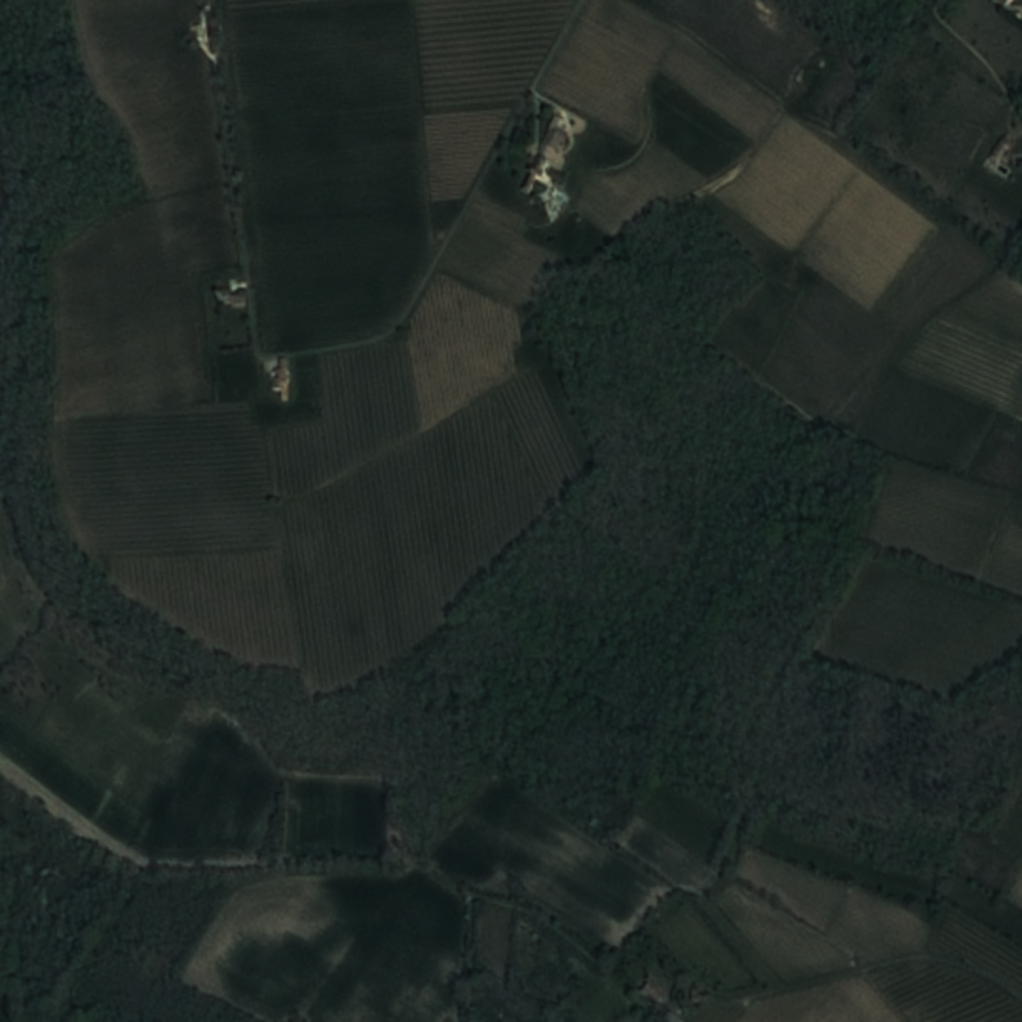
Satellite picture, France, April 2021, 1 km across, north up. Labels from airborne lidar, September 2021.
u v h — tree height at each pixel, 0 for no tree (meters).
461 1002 18
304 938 0
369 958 0
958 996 0
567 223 0
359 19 0
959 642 0
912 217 0
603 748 28
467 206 0
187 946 10
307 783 0
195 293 0
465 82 0
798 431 24
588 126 0
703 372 19
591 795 21
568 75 0
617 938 0
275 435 0
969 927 0
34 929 12
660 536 17
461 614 20
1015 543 0
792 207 0
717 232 13
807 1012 0
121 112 0
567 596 23
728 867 12
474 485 0
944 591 0
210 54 12
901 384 0
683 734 20
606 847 7
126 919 17
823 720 19
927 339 0
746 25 0
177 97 0
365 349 0
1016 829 0
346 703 22
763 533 25
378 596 0
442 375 0
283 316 0
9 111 20
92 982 17
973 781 15
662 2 0
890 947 0
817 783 18
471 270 0
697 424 19
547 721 25
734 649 19
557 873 0
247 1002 0
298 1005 0
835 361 0
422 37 0
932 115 0
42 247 20
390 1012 0
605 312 24
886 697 17
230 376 0
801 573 22
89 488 0
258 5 0
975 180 0
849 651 0
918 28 17
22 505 24
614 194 0
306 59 0
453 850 0
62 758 0
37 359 22
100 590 21
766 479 25
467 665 26
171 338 0
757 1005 0
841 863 0
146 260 0
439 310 0
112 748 0
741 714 23
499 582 21
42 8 22
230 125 10
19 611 0
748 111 0
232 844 0
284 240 0
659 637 27
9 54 22
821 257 0
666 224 16
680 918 0
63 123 18
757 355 0
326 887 0
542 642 27
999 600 9
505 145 12
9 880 22
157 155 0
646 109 0
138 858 0
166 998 12
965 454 0
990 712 9
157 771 0
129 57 0
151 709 0
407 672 15
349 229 0
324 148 0
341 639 0
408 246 0
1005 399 0
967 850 0
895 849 12
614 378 18
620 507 23
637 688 27
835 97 0
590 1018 0
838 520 23
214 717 0
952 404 0
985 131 0
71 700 0
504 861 0
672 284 23
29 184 19
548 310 22
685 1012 5
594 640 24
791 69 0
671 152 0
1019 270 20
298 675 11
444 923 0
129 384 0
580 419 15
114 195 18
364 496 0
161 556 0
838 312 0
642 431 21
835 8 18
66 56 22
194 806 0
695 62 0
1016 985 0
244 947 0
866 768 20
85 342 0
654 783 21
